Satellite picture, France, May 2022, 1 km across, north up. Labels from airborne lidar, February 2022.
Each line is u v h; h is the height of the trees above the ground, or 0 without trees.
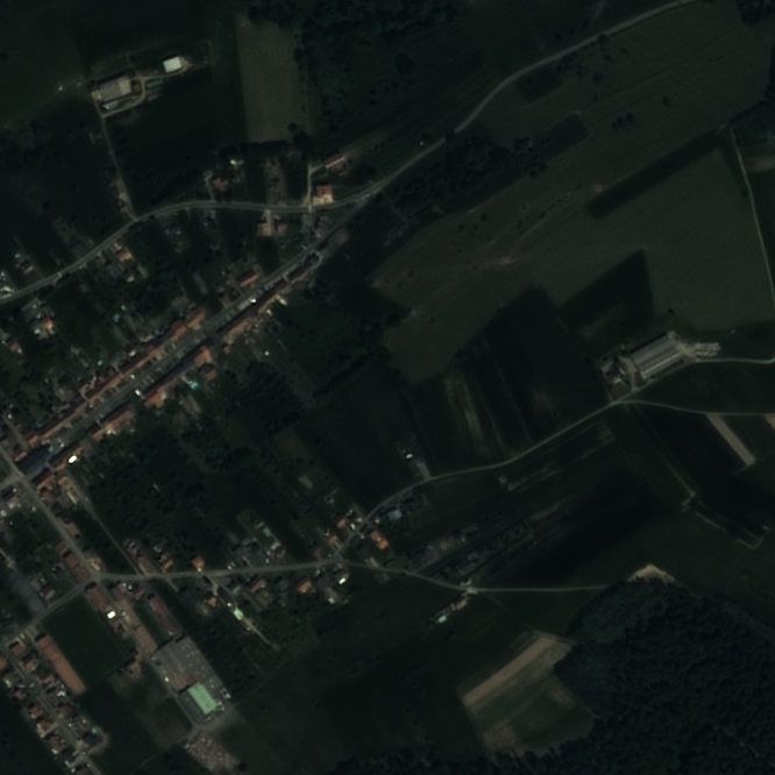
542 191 0
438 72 0
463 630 0
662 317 0
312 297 15
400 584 0
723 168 0
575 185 0
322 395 11
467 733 0
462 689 0
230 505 0
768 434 0
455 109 0
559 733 0
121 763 0
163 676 0
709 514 0
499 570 0
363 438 0
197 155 0
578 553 0
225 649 0
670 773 36
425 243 0
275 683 0
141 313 7
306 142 25
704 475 0
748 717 33
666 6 0
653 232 0
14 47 0
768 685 33
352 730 0
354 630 0
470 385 0
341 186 0
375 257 0
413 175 0
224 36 0
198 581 0
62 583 0
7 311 0
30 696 9
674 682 36
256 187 0
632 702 30
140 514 0
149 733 0
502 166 15
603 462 0
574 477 0
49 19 0
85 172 0
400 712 0
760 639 26
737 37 0
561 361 0
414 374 0
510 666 0
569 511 0
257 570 0
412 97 0
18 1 0
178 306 0
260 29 0
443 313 0
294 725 0
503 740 0
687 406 0
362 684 0
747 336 0
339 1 0
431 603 0
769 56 0
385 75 0
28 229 0
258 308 0
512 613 0
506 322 0
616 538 0
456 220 0
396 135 0
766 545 0
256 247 11
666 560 0
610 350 0
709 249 0
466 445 0
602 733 29
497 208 0
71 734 0
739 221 0
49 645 0
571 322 0
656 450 0
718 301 0
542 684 0
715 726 11
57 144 0
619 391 0
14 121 0
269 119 0
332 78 24
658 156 0
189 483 0
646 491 0
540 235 0
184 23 0
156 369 0
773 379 0
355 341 0
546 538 0
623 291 0
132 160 0
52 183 0
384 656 0
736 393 0
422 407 0
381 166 0
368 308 0
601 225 0
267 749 0
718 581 0
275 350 0
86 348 0
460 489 0
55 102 0
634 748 31
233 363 0
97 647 0
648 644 32
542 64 0
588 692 26
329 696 0
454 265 0
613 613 25
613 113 0
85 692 0
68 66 0
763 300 0
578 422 0
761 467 0
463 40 0
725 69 0
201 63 0
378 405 0
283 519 0
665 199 0
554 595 0
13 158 0
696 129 0
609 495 0
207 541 0
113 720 0
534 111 0
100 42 0
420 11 18
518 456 0
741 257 0
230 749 0
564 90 0
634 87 0
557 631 0
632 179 0
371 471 0
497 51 0
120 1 0
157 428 0
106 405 0
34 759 0
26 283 0
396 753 0
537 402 0
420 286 0
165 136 0
